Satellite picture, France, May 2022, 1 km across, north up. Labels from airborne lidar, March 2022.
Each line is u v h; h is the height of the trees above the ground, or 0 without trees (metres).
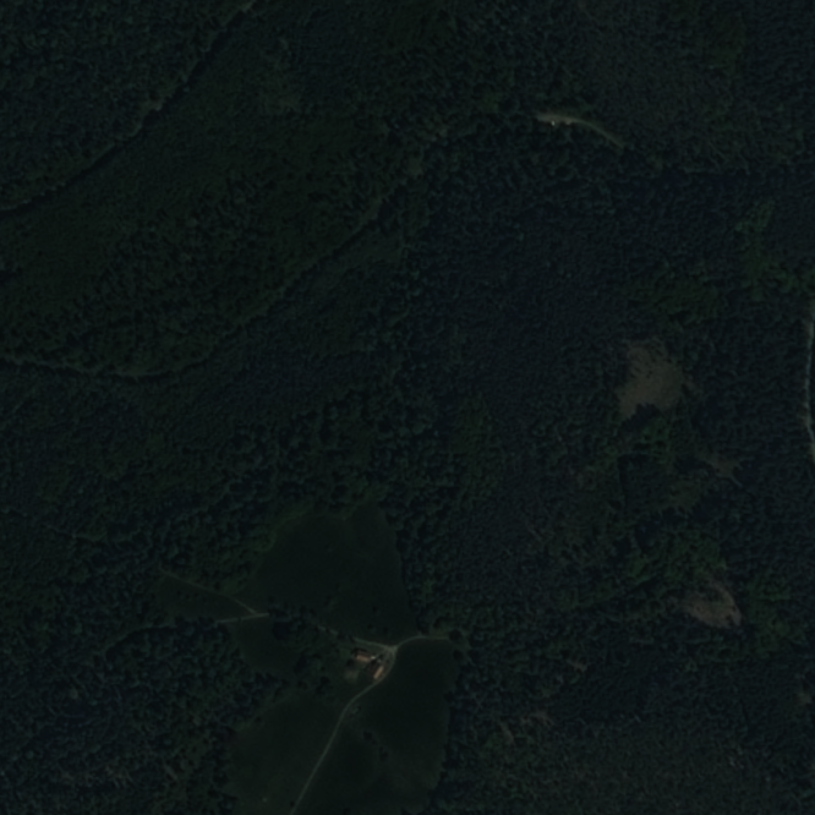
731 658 26
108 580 37
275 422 21
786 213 27
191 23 17
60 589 32
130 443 20
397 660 0
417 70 29
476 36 10
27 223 20
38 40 34
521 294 26
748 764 27
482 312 33
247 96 15
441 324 24
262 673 0
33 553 16
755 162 37
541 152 37
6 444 24
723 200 41
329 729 0
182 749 11
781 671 17
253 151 12
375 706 0
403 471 29
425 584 25
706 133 35
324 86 17
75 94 30
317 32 20
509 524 22
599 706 15
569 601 30
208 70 18
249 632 0
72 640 32
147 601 16
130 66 35
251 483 15
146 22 33
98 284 33
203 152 18
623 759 26
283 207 16
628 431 38
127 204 19
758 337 39
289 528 0
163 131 18
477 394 26
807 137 24
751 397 33
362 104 18
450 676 0
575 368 26
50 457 29
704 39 21
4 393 22
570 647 31
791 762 14
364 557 0
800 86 30
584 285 20
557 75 31
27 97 34
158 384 24
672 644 9
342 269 17
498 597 23
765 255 23
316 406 19
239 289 16
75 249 21
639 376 0
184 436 15
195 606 0
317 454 17
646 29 26
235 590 7
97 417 24
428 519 23
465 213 29
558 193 30
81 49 32
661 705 27
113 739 29
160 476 20
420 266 35
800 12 33
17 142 32
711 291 27
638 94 31
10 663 33
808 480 33
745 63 24
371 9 9
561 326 25
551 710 10
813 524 36
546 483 21
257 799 0
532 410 25
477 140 19
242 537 33
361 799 0
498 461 20
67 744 28
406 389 34
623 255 31
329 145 16
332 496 31
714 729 24
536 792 26
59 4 35
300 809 0
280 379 29
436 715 0
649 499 25
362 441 21
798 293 33
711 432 45
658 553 29
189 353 15
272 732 0
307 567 0
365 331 27
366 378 26
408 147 10
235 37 18
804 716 7
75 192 19
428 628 15
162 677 30
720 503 31
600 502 7
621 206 15
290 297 13
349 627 0
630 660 15
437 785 0
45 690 33
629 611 30
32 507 25
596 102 32
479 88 34
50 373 22
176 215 18
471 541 22
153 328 18
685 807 28
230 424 11
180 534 27
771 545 32
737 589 31
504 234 29
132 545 33
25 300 22
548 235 33
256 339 22
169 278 11
